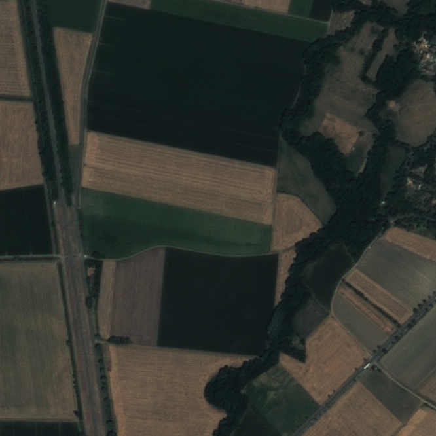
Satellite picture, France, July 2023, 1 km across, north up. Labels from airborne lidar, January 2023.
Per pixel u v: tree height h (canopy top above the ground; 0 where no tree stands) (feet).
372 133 0
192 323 0
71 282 0
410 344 0
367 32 0
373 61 23
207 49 0
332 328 0
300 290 57
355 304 0
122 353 0
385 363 0
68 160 37
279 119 0
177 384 0
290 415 0
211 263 0
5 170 0
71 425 0
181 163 0
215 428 0
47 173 27
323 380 0
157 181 0
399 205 50
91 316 0
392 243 0
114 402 0
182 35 0
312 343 0
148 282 0
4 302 0
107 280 0
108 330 0
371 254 0
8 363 0
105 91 0
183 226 0
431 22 78
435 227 35
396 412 0
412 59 55
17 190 0
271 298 0
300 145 58
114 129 0
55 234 0
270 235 0
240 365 0
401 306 0
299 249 35
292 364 0
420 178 40
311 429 0
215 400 59
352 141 0
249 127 0
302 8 0
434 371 0
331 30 0
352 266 0
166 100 0
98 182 0
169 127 0
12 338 0
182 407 0
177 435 0
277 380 0
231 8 0
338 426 0
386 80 60
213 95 0
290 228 0
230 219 0
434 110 0
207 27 0
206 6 0
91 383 0
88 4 0
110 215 0
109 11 0
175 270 0
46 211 0
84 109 0
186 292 0
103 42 0
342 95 0
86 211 0
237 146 0
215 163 0
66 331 0
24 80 0
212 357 0
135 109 0
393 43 0
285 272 0
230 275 0
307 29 0
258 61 0
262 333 0
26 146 0
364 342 0
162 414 0
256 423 0
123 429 0
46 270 0
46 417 0
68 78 0
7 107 0
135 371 0
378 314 0
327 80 0
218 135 0
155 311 0
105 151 0
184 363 0
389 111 0
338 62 0
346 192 73
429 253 0
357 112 0
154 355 0
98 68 0
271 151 0
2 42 0
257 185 0
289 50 0
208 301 0
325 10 0
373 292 0
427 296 0
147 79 0
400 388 0
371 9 39
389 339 0
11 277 0
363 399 0
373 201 75
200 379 0
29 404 0
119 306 0
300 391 0
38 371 0
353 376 0
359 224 70
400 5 0
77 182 0
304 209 0
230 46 0
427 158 54
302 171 0
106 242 0
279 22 0
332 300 0
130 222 0
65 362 0
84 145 0
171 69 0
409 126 0
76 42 0
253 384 0
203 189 0
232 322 0
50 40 22
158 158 0
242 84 0
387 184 0
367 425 0
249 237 0
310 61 52
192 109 0
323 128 0
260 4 0
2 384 0
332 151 52
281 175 0
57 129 23
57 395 0
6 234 0
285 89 0
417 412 0
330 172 72
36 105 34
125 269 0
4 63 0
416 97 0
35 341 0
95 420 0
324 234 53
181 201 0
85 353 0
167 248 0
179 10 0
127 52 0
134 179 0
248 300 0
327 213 0
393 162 0
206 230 0
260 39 0
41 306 0
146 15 0
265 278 0
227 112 0
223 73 0
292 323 38
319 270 0
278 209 0
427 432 0
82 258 0
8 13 0
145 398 0
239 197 0
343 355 0
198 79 0
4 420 0
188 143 0
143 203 0
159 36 0
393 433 0
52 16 0
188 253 0
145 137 0
